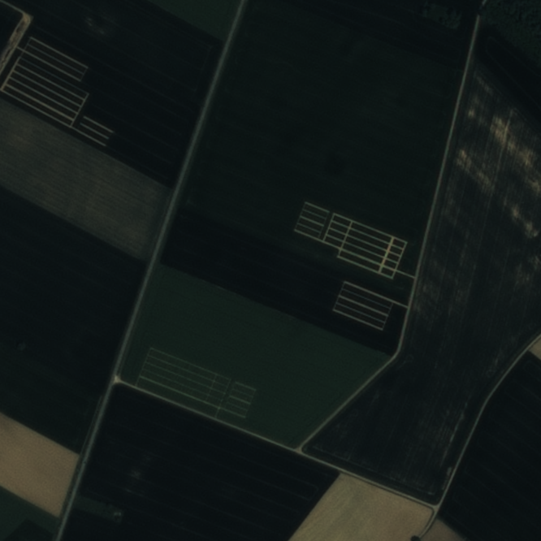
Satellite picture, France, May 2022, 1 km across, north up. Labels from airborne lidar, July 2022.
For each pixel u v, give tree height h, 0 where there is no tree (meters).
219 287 0
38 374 0
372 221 0
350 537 0
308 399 0
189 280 0
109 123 0
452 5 0
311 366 0
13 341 0
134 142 0
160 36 0
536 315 0
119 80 0
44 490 0
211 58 0
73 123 0
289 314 0
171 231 0
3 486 0
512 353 0
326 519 0
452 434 0
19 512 0
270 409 0
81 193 0
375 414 0
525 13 29
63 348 0
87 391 0
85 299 0
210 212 0
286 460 0
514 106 0
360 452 0
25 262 0
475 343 0
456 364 0
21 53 0
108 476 0
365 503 0
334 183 0
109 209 0
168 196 0
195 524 0
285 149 0
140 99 0
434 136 0
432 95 0
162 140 0
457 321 0
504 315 0
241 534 0
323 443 0
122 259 0
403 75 0
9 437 0
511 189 0
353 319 0
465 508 0
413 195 0
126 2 0
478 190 0
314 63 0
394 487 0
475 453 0
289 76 0
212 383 0
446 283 0
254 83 0
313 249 0
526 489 0
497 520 0
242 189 0
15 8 0
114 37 0
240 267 0
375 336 0
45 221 0
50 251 0
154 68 0
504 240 0
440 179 0
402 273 0
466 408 0
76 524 0
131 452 0
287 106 0
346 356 0
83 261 0
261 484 0
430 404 0
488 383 0
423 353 0
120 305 0
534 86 0
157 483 0
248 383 0
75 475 0
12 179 0
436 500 0
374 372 0
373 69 0
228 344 0
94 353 0
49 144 0
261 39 0
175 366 0
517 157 0
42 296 0
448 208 0
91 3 0
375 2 0
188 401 0
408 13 0
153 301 0
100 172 0
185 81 0
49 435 0
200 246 0
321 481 0
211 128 0
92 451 0
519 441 0
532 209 0
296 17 0
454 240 0
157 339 0
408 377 0
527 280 0
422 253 0
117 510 0
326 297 0
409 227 0
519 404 0
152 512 0
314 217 0
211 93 0
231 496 0
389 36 0
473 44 0
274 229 0
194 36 0
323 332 0
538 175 0
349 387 0
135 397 0
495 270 0
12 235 0
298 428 0
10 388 0
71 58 0
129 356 0
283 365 0
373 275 0
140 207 0
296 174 0
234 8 0
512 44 26
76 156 0
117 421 0
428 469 0
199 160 0
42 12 0
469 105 0
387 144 0
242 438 0
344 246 0
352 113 0
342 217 0
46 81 0
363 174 0
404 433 0
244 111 0
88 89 0
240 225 0
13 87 0
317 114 0
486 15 26
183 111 0
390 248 0
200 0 0
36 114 0
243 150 0
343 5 0
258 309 0
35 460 0
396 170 0
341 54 0
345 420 0
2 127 0
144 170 0
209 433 0
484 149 0
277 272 0
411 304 0
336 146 0
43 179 0
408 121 0
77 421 0
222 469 0
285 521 0
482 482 0
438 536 0
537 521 0
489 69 0
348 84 0
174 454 0
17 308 0
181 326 0
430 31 0
